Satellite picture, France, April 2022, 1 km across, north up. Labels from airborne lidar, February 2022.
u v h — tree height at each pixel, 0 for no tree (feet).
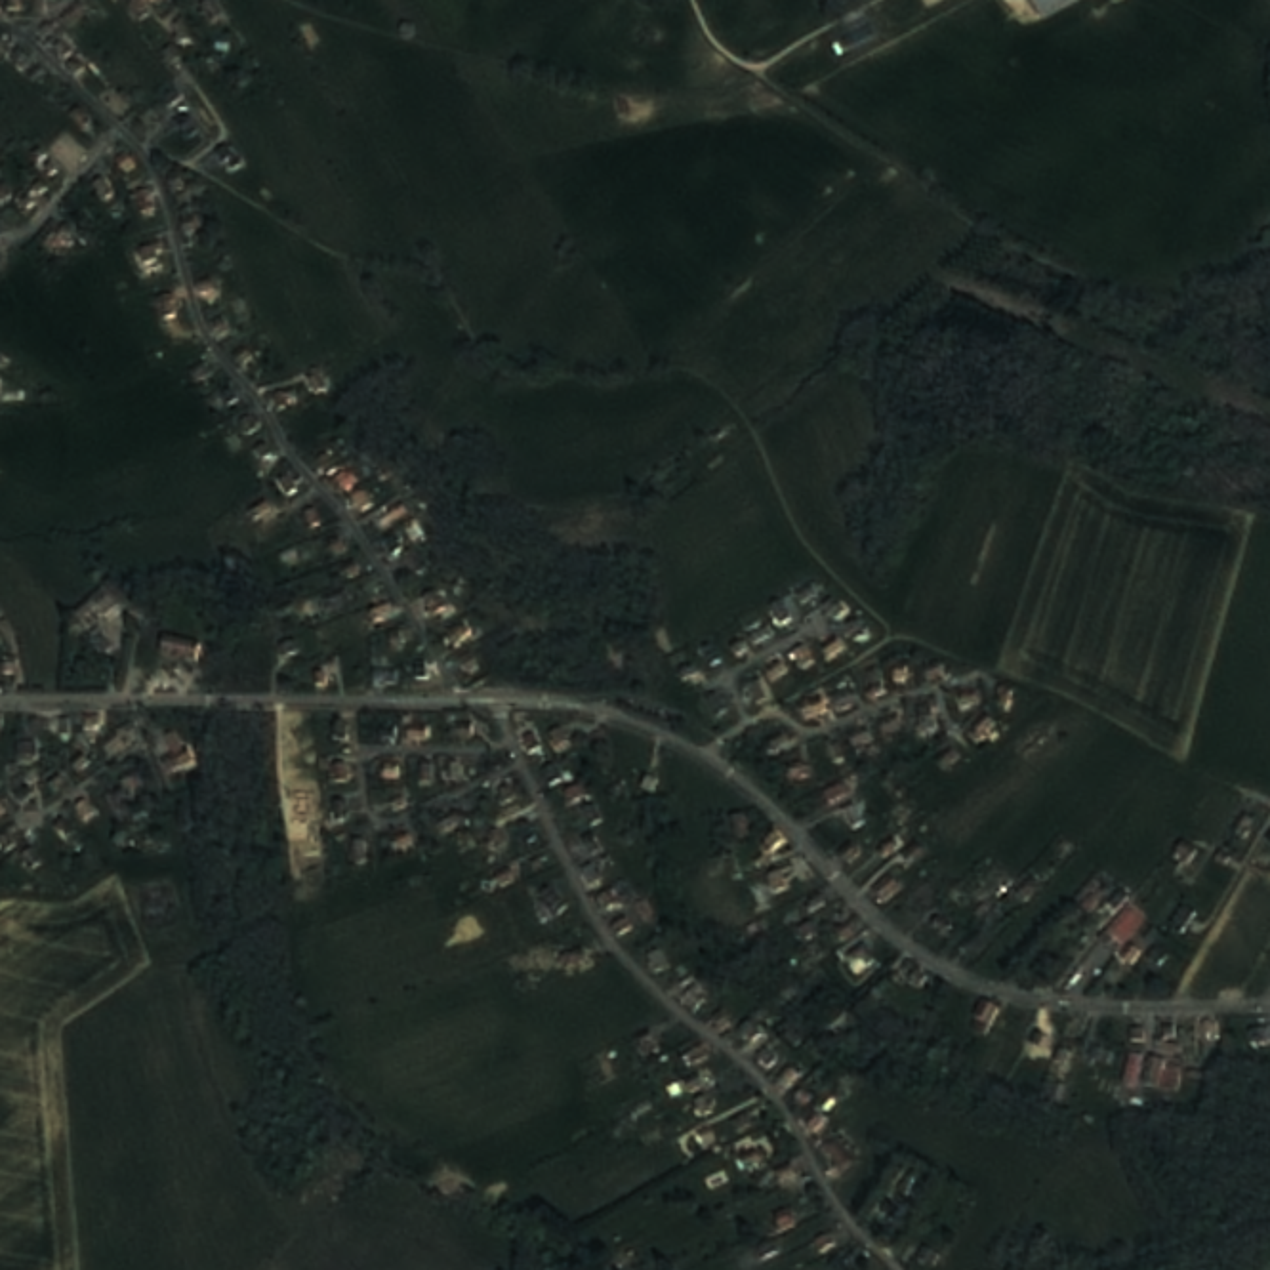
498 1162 0
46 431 0
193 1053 0
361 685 0
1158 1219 65
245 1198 0
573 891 0
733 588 0
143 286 0
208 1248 0
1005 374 58
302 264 0
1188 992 0
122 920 0
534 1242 57
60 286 0
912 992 0
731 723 0
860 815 0
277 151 0
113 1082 0
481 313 0
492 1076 0
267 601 60
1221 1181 75
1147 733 0
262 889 78
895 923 0
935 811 0
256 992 67
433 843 35
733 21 0
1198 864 0
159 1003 0
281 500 24
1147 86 0
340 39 0
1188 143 0
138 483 0
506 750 0
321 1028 43
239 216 0
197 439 0
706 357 0
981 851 0
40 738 0
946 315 31
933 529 0
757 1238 40
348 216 0
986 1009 0
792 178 0
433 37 0
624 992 0
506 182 0
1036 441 47
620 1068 0
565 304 0
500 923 0
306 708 0
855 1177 0
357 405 73
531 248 0
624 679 26
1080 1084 0
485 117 0
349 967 0
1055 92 0
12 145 19
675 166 0
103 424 0
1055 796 0
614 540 0
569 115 0
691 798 0
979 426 65
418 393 0
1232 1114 78
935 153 0
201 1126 0
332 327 0
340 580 33
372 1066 0
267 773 71
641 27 0
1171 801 0
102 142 0
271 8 0
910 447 71
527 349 0
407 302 0
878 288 0
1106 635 0
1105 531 0
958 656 0
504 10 0
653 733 0
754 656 0
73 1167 0
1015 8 0
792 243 0
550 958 0
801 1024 57
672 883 39
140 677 0
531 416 0
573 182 0
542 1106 0
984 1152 0
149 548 0
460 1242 0
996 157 0
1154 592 0
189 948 0
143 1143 0
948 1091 56
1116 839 0
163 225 0
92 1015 0
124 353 0
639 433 0
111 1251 0
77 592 0
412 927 0
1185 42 0
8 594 0
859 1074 22
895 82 0
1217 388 0
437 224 0
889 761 0
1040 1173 0
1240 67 0
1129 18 0
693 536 0
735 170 0
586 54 0
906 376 43
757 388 0
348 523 0
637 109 0
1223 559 0
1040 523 0
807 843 0
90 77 0
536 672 24
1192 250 0
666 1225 0
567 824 0
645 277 0
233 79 18
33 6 0
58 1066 0
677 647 0
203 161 0
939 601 0
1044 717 0
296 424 0
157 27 0
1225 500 62
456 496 74
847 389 0
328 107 0
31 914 0
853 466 0
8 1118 0
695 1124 0
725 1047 0
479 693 0
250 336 0
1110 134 0
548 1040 0
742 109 0
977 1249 0
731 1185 0
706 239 0
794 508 0
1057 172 0
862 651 0
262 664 0
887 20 0
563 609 69
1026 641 0
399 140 0
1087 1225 0
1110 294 62
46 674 0
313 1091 64
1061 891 0
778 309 0
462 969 0
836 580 0
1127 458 29
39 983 0
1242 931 0
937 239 0
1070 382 73
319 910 0
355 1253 0
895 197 0
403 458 73
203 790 73
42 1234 0
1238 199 0
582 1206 0
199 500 0
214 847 56
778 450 0
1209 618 0
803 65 0
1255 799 0
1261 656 0
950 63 0
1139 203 0
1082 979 0
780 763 22
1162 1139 71
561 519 0
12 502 0
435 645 27
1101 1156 0
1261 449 62
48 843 0
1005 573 0
